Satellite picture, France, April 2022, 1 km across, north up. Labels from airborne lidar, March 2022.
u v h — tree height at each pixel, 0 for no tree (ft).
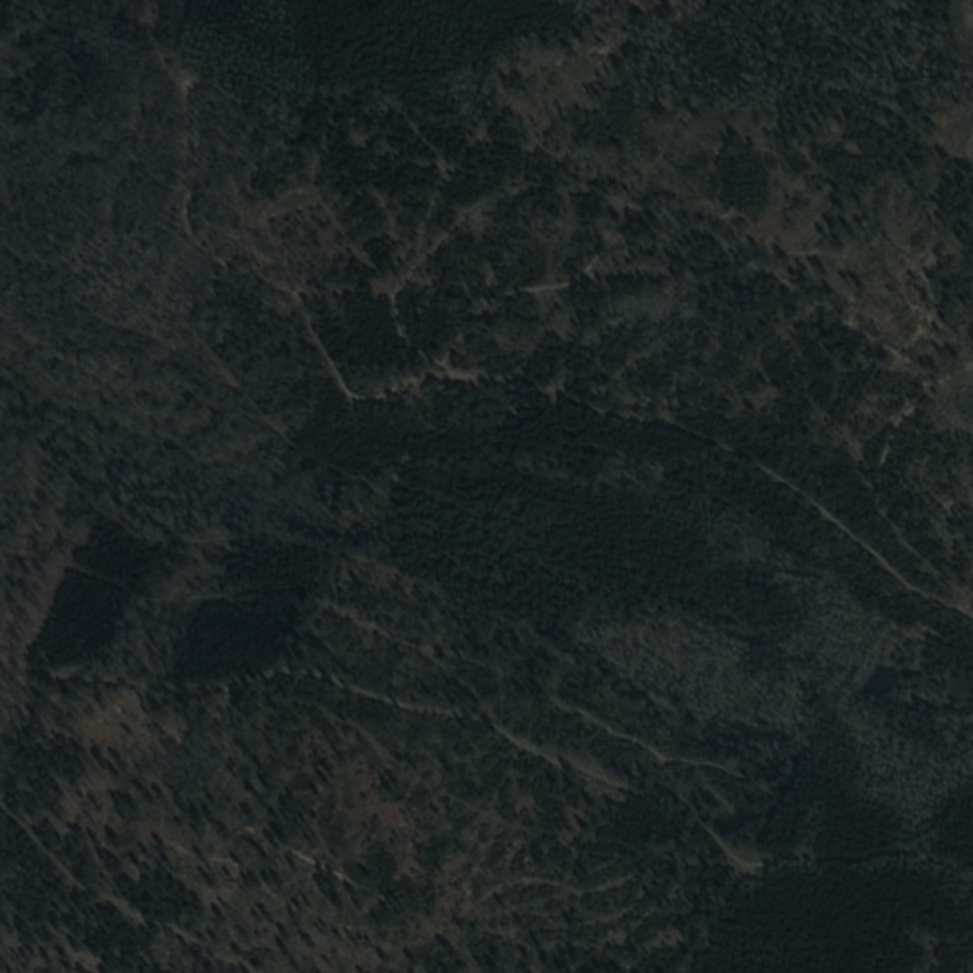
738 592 40
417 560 53
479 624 33
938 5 70
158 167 60
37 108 30
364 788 0
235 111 67
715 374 38
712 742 20
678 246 77
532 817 96
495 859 19
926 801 60
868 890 61
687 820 22
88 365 81
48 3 66
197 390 79
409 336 28
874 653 72
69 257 65
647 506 38
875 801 55
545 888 20
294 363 97
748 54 89
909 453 27
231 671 36
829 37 102
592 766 0
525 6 38
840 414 36
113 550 40
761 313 89
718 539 42
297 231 31
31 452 104
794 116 78
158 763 49
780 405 30
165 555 33
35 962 68
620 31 68
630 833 36
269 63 48
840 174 24
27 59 86
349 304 39
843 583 32
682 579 52
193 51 58
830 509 34
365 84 44
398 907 92
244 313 54
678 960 23
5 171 76
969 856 68
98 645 42
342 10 80
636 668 74
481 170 22
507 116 35
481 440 61
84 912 93
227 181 60
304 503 93
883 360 36
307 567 38
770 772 27
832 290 0
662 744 34
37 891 75
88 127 86
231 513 75
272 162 65
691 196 0
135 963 88
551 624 49
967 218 102
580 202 35
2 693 77
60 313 61
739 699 73
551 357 62
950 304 59
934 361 0
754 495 48
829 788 62
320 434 30
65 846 94
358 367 30
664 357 53
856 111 94
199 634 36
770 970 42
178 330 71
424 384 77
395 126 52
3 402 81
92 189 70
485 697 25
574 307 70
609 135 27
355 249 82
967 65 63
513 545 46
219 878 80
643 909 20
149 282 53
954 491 29
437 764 0
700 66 78
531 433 86
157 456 52
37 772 82
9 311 63
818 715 81
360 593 20
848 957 52
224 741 73
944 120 0
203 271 55
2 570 87
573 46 31
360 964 0
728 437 64
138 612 73
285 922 0
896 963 51
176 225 43
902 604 34
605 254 55
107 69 57
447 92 48
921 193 100
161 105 68
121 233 58
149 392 81
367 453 26
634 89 74
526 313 57
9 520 64
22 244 55
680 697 66
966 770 68
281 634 39
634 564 55
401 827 0
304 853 0
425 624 93
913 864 58
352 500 92
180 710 62
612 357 42
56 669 33
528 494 53
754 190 36
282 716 94
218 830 98
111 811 0
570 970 81
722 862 82
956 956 38
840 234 96
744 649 70
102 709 70
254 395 50
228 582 24
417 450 31
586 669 95
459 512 51
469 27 29
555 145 45
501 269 19
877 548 58
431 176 38
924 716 68
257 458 24
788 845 63
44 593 68
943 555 76
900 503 31
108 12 80
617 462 81
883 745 64
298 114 51
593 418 81
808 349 29
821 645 75
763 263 68
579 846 25
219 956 53
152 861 94
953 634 44
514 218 30
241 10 55
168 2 45
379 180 42
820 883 55
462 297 28
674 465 78
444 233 77
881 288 0
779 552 74
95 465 111
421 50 45
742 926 59
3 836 83
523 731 20
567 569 61
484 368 41
